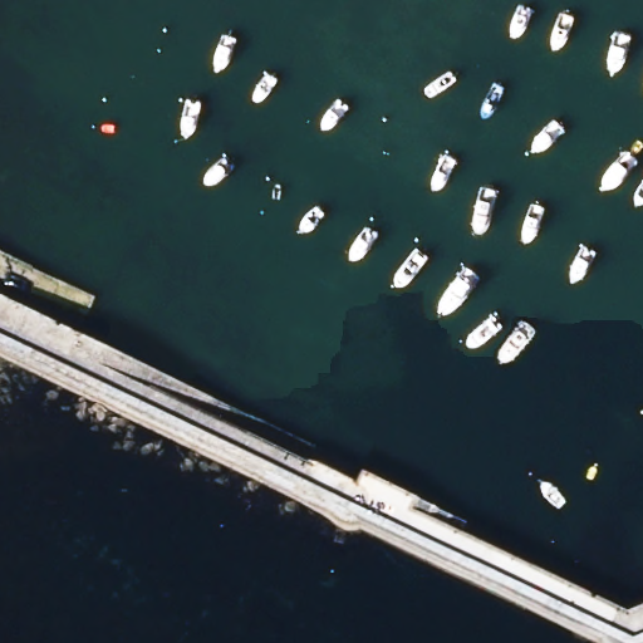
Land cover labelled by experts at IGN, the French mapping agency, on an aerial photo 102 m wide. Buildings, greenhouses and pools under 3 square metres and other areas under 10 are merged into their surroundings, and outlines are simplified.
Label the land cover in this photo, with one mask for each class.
<instances>
[{"label":"water","instance_id":"1","mask_svg":"<svg viewBox=\"0 0 643 643\"><path fill-rule=\"evenodd\" d=\"M0 251L30 264L33 269L53 279H60L80 291L93 294V304L100 311H108V319L105 324H95L88 332V337L229 402V409L211 407V417L234 424L254 437H261L269 445H276L301 460H316L347 477L372 472L422 500L435 502L442 510H450V527L467 532L482 543H490L535 568H543L618 608H635L643 603V0H0ZM13 402L0 407V643H593L470 580L440 570L369 532L342 530L324 515L301 505L299 500L254 477H246L211 457H203L196 450L183 447L133 419H126L118 430H105L100 419H95V414L78 417V397L63 389L55 399H50L48 394L33 397L28 389L20 392L18 387H13Z\"/></svg>","mask_w":643,"mask_h":643},{"label":"impervious surface","instance_id":"2","mask_svg":"<svg viewBox=\"0 0 643 643\"><path fill-rule=\"evenodd\" d=\"M108 319V311H100L93 304V294L80 291L60 279H53L33 269L30 264L0 251V357L63 389L78 397L105 402L113 412H121L126 419H133L183 447L196 450L203 457H211L246 477H254L299 500L301 505L324 515L342 530L369 532L440 570L470 580L593 643H643V603L635 608H618L543 568H535L490 543H482L467 532L450 527V510H442L435 502L422 500L372 472L347 477L316 460H301L276 445H269L261 437H254L234 424L211 417V407L229 409V402L88 337V332L95 324H105Z\"/></svg>","mask_w":643,"mask_h":643},{"label":"bare soil","instance_id":"3","mask_svg":"<svg viewBox=\"0 0 643 643\"><path fill-rule=\"evenodd\" d=\"M13 387H18L20 392L28 389L33 397L48 394L50 399H55L63 389L0 357V407L13 402ZM95 414V419H100L105 430H118L126 419L121 412H113L105 402L78 397V417Z\"/></svg>","mask_w":643,"mask_h":643}]
</instances>
